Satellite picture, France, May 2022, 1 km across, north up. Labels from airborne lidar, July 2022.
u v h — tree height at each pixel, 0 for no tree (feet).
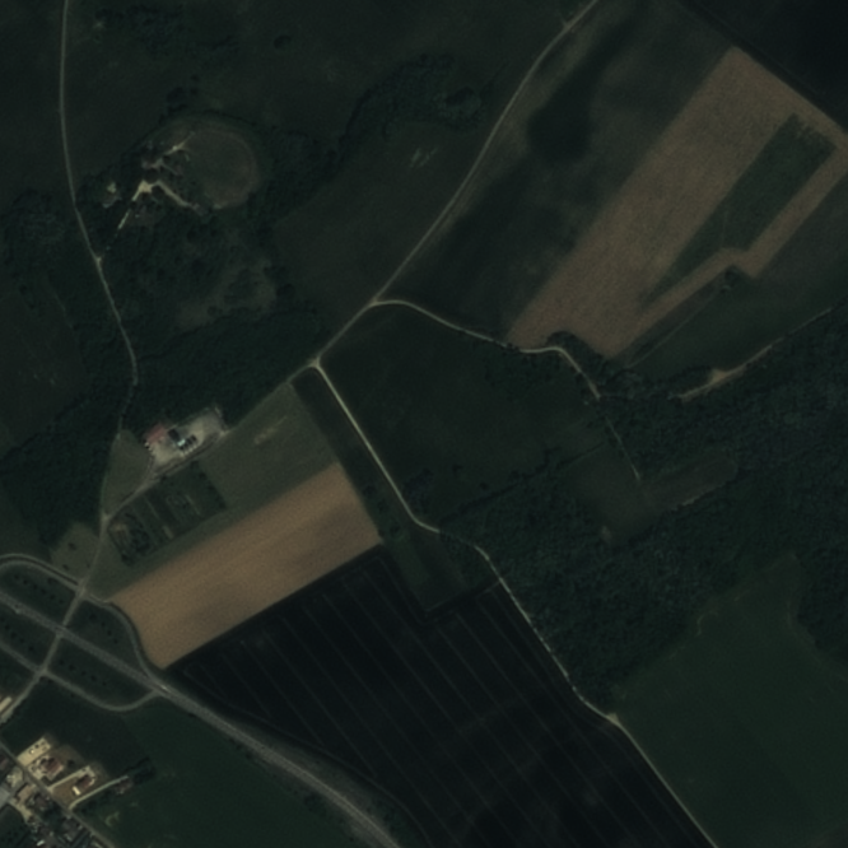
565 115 0
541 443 0
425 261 0
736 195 0
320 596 0
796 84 0
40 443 35
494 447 0
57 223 50
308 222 0
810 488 62
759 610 0
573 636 54
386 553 0
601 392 31
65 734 0
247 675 0
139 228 19
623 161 0
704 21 0
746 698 0
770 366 19
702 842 0
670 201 0
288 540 0
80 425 53
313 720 0
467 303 0
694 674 0
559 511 26
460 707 0
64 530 68
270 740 0
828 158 0
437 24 0
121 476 0
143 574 0
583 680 79
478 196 0
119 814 0
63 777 0
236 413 55
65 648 0
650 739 0
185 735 0
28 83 0
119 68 0
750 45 0
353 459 0
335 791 0
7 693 0
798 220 0
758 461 60
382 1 0
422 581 0
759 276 0
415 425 0
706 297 0
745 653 0
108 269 45
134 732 0
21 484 56
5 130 0
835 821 0
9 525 0
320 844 0
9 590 0
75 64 0
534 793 0
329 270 0
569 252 0
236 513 0
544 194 0
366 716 0
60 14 0
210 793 0
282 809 0
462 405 0
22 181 0
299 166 27
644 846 0
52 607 0
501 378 31
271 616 0
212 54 54
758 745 0
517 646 0
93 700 0
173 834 0
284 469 0
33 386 0
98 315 40
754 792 0
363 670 0
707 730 0
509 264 0
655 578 58
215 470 0
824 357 61
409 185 0
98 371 31
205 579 0
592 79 0
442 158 0
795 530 46
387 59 0
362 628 0
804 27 0
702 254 0
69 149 0
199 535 0
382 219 0
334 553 0
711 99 0
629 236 0
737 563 36
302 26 0
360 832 0
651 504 0
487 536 57
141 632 0
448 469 0
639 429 55
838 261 0
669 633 61
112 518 0
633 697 0
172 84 0
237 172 0
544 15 0
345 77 0
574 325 0
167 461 0
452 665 0
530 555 38
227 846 0
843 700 0
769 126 0
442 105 74
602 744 0
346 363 0
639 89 0
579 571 63
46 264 37
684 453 52
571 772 0
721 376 0
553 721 0
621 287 0
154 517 0
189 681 0
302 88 0
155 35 24
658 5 0
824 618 36
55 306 0
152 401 44
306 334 53
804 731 0
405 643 0
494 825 0
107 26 43
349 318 0
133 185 22
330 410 0
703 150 0
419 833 0
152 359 37
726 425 60
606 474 0
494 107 0
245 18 0
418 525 0
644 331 0
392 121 57
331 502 0
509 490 29
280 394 0
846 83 0
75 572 0
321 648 0
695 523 42
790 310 0
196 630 0
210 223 30
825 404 71
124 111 0
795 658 0
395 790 0
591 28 0
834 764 0
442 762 0
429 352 0
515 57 0
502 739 0
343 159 34
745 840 0
